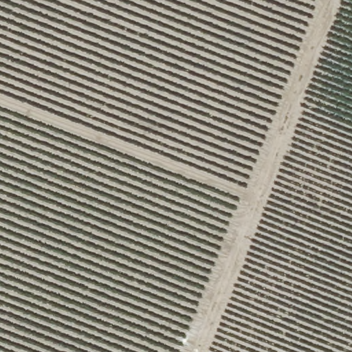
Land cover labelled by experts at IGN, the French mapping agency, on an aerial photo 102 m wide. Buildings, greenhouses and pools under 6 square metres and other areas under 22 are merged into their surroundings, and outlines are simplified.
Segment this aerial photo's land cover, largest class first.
<instances>
[{"label":"vineyard","instance_id":"1","mask_svg":"<svg viewBox=\"0 0 352 352\"><path fill-rule=\"evenodd\" d=\"M307 8L315 10V0H0V93L65 120L87 126L93 131L135 144L172 161L245 187L249 183L247 173L256 164L258 150L263 146L268 126L272 122L271 118H268L269 114L276 113L275 110H271L272 106H278L282 98L279 93L268 91V87H285L294 66L290 58H296L302 41L301 37L290 34L291 30L305 34L312 14L305 11ZM301 107L307 111H302L296 131L291 137L290 151L283 157L271 195L265 203L263 216L258 221L256 234L250 242L245 265L236 280L231 300L224 315L221 316L219 329L208 352H352V0H341L333 26L327 33V43L313 71L311 84L308 85L305 98L302 99ZM239 197L202 181L190 179L181 173L143 161L131 154L122 153L106 144L93 142L58 126L34 120L29 115L0 106V352H180L179 349H175L176 345L183 344L179 337H186L192 318L197 313L198 301L201 300L205 283L209 282V274L221 249L216 243L223 241Z\"/></svg>","mask_w":352,"mask_h":352},{"label":"pervious surface","instance_id":"2","mask_svg":"<svg viewBox=\"0 0 352 352\"><path fill-rule=\"evenodd\" d=\"M341 0H315V10L307 8L305 11L312 14L305 34L291 30L290 34L301 37L302 41L296 58H290L294 66L285 87H268V91L279 93L282 98L278 106H272L271 110H275L276 113L269 114L268 118H271L272 122L268 126L263 146L258 150L256 164L247 173L249 183L245 187V191L239 197L223 241L216 243L221 249L209 274V282L205 283L201 300L198 301L197 313L192 318L186 337H179L183 344L176 345L175 349H179L180 352H208L219 329L221 316L224 315L231 300L236 280L245 265L250 242L256 234L258 221L263 216L265 203L271 195L283 157L290 151L291 137L296 131L302 111H307L301 107L302 99L305 98L308 85L311 84L313 71L327 43V33L333 26Z\"/></svg>","mask_w":352,"mask_h":352},{"label":"plowed land","instance_id":"3","mask_svg":"<svg viewBox=\"0 0 352 352\"><path fill-rule=\"evenodd\" d=\"M0 106L29 115L34 120L58 126L93 142L106 144L122 153L131 154L143 161L181 173L190 179L202 181L239 197L245 191V187L172 161L135 144L93 131L87 126L65 120L0 93Z\"/></svg>","mask_w":352,"mask_h":352}]
</instances>
